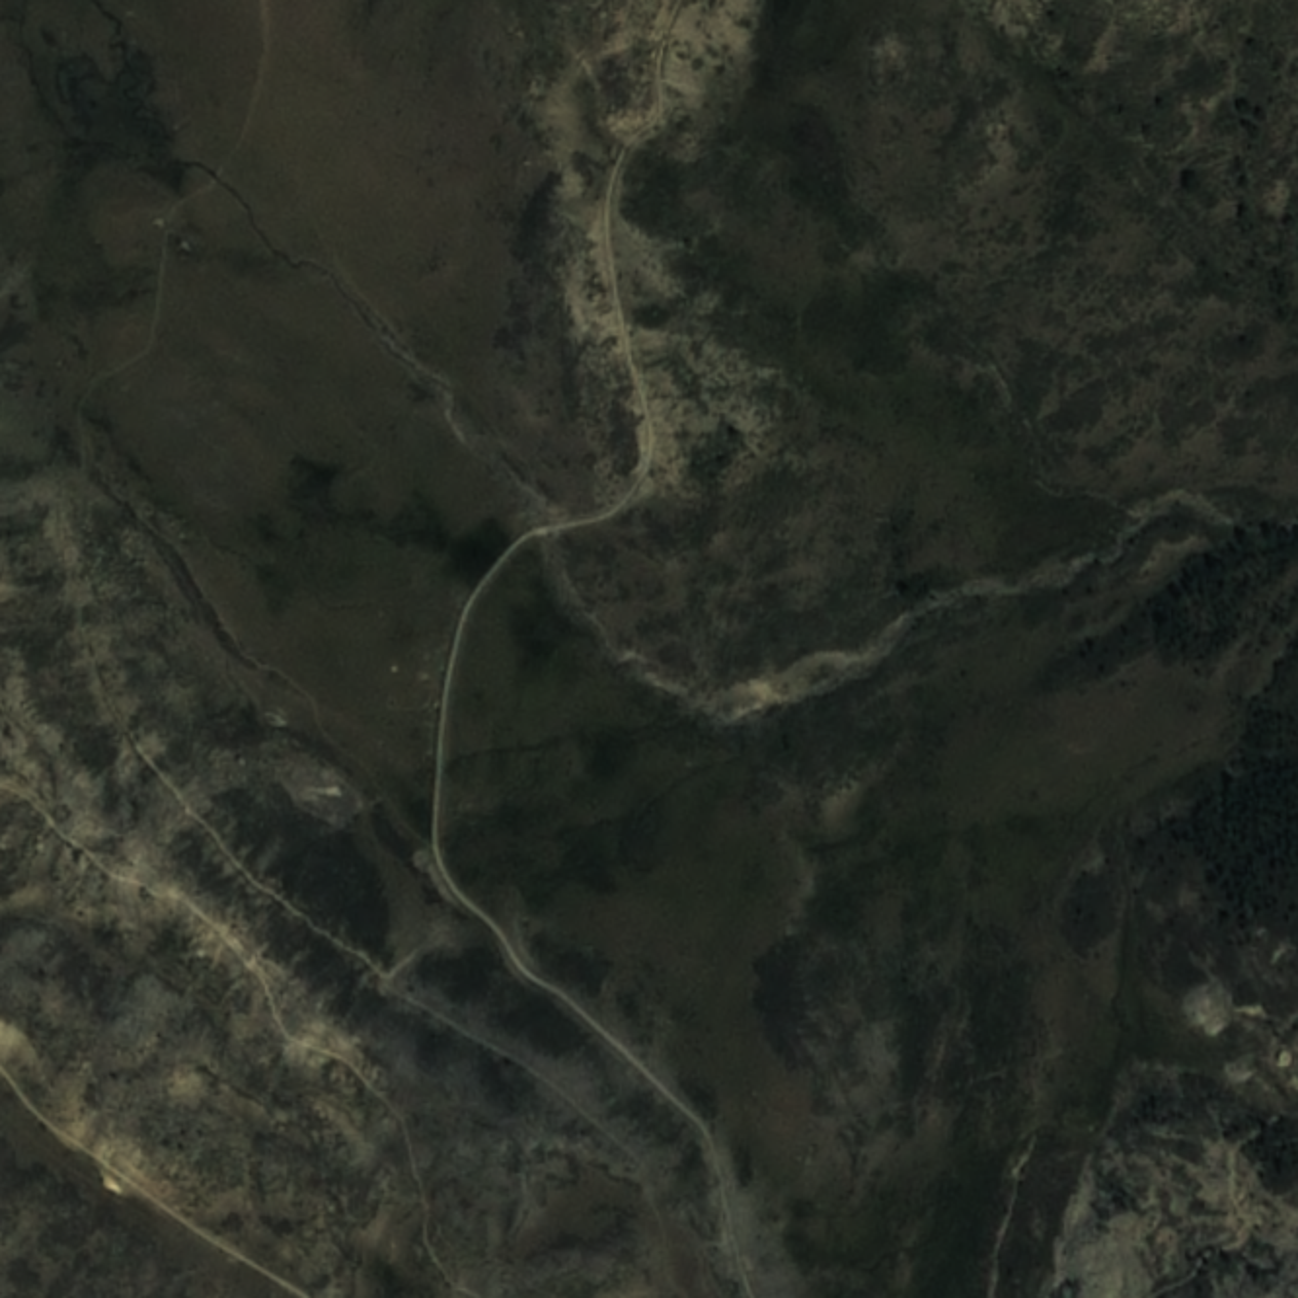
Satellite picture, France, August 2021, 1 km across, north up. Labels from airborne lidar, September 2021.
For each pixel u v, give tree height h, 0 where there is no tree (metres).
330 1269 0
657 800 0
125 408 0
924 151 0
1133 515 0
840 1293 0
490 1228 0
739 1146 0
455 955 0
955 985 0
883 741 0
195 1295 0
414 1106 0
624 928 0
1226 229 0
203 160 0
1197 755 0
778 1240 0
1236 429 0
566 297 0
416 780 0
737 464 0
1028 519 0
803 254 0
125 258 0
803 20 0
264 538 0
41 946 0
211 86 0
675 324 0
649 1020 0
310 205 0
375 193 0
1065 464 0
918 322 0
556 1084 0
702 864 0
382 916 0
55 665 0
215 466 0
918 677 0
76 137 0
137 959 0
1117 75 0
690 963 0
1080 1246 0
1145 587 0
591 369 0
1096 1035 0
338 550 0
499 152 0
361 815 0
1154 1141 0
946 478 0
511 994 0
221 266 0
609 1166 0
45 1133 0
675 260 0
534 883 0
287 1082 0
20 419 0
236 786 0
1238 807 6
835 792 0
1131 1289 0
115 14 0
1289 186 0
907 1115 0
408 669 0
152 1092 0
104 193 0
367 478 0
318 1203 0
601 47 0
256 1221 0
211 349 0
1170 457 0
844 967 0
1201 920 0
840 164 0
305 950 0
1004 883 0
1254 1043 0
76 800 0
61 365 0
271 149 0
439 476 0
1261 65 0
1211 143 0
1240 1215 0
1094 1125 0
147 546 0
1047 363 0
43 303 0
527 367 0
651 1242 0
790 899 0
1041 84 0
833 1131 0
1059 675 0
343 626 0
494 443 0
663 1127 0
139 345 0
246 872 0
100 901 0
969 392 0
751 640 0
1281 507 0
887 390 0
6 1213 0
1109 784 0
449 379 0
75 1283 0
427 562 0
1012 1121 0
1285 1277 0
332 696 0
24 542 0
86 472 0
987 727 0
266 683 0
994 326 0
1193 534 0
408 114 0
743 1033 0
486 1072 0
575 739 0
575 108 0
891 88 0
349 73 0
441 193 0
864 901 0
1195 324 0
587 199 0
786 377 0
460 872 0
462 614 0
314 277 0
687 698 0
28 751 0
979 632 0
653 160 0
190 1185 0
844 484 0
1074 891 0
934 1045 0
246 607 0
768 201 0
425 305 0
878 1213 0
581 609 0
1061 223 0
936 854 0
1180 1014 0
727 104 0
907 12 0
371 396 0
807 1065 0
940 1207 0
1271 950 0
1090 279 0
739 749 0
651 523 0
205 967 0
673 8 0
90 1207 0
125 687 0
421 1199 0
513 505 0
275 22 0
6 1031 0
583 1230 0
